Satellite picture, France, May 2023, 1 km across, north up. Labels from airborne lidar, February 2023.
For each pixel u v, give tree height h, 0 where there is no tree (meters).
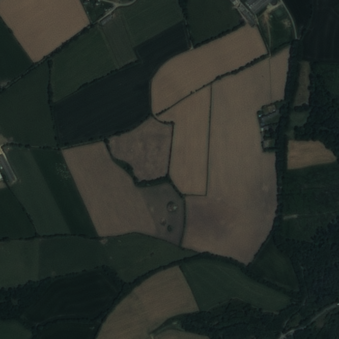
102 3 0
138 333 0
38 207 0
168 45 0
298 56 27
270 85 0
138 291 0
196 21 0
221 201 0
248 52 0
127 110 0
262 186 0
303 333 18
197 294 0
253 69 0
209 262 0
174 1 0
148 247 0
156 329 0
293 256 16
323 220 0
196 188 0
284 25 0
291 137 0
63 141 0
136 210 0
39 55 0
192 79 0
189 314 9
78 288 0
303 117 0
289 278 0
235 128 0
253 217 0
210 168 0
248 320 12
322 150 0
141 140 0
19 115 0
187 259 14
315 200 0
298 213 0
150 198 0
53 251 0
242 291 0
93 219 0
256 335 16
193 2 0
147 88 0
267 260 0
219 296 0
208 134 0
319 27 0
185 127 0
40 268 0
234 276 0
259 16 0
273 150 18
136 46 0
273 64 0
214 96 0
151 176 0
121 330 0
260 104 0
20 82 0
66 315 0
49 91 11
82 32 9
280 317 13
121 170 0
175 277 0
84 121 0
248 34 0
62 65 0
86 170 0
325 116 14
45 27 0
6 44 0
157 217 0
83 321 8
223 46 0
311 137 7
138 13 0
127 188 0
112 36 0
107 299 0
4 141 0
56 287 0
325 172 0
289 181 0
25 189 0
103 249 0
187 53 0
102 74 0
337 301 17
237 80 0
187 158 0
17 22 0
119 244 0
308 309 15
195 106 0
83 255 0
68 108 0
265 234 0
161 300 0
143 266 0
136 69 0
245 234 0
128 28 0
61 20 0
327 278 24
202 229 0
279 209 11
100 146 0
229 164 0
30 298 16
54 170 0
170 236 0
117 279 8
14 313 10
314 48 0
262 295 0
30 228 0
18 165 0
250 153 0
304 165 0
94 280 0
